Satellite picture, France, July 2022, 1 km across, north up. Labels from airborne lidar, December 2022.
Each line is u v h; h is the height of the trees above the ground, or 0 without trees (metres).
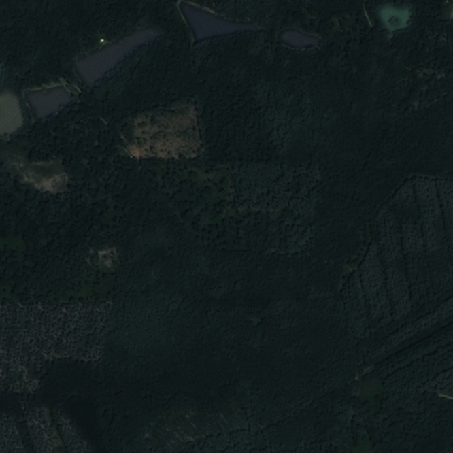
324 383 18
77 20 19
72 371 25
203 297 17
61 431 20
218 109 24
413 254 17
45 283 20
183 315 13
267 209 19
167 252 23
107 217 27
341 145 15
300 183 20
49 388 24
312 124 14
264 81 23
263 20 22
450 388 24
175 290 18
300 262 13
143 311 21
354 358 25
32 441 17
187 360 14
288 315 25
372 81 18
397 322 19
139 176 19
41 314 17
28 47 16
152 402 19
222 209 21
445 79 15
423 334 19
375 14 10
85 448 18
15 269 24
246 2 24
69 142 22
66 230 23
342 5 17
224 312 26
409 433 14
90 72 0
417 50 18
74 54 19
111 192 20
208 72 15
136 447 20
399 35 16
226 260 17
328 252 11
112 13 20
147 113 12
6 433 18
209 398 17
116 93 19
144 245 24
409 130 22
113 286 0
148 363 22
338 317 23
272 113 25
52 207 23
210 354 15
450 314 19
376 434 18
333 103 16
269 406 20
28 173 0
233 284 14
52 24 14
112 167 21
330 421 14
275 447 20
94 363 19
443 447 18
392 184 14
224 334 22
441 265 16
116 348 19
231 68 17
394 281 20
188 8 0
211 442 20
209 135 26
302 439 13
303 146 14
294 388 17
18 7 21
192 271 22
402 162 18
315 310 22
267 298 16
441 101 17
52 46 14
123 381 21
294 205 27
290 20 19
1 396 17
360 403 18
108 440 13
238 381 16
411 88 10
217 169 22
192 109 0
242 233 22
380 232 12
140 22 23
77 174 23
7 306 18
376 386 0
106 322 16
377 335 18
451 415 17
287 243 20
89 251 16
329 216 19
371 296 21
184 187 20
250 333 17
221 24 0
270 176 25
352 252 13
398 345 21
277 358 15
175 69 21
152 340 24
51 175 0
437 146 18
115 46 0
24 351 15
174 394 15
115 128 19
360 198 18
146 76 20
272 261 14
